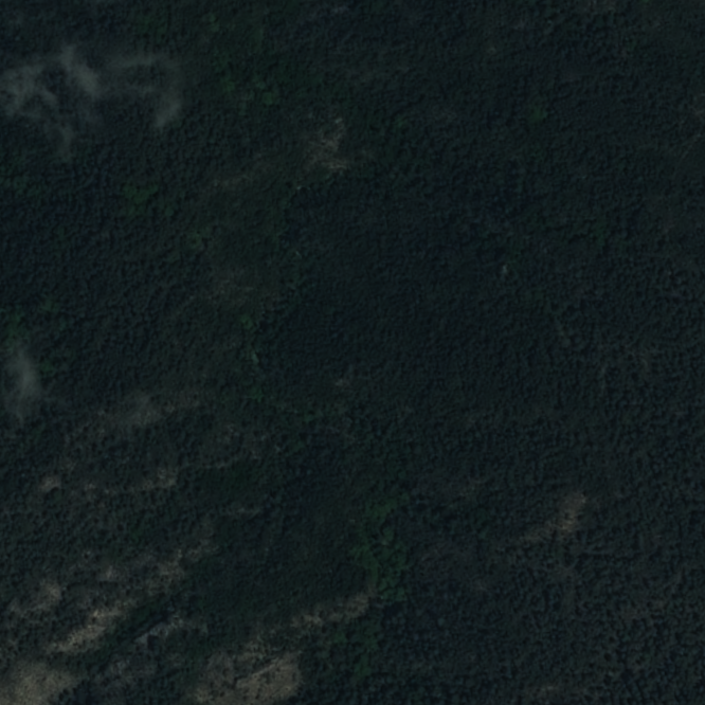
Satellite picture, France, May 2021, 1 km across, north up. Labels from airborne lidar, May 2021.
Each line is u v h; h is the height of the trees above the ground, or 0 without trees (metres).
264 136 8
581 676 19
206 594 6
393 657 11
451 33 10
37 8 10
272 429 22
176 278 21
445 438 26
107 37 26
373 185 18
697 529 20
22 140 11
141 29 15
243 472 24
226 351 11
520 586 17
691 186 11
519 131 22
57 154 16
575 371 17
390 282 10
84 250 16
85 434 6
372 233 14
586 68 22
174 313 22
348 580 15
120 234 24
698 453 17
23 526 23
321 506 8
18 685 0
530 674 15
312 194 13
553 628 20
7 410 11
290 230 14
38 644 16
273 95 23
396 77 14
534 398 19
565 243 7
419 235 9
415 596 10
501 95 13
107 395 19
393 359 7
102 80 26
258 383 28
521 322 14
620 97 18
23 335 20
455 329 16
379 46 17
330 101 8
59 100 9
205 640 11
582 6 6
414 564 14
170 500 6
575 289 17
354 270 7
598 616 29
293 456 19
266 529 16
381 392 8
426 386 10
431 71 13
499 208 19
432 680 14
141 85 25
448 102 9
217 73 12
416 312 19
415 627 11
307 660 15
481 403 18
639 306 22
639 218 26
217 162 20
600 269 13
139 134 24
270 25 15
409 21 9
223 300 11
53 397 19
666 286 27
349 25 6
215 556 17
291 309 9
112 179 18
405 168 12
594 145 22
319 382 9
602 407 7
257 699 10
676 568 20
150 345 21
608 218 8
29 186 11
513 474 13
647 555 20
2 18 6
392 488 36
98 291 16
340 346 13
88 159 11
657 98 16
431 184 11
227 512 9
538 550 20
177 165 33
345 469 12
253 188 12
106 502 16
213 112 13
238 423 7
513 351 21
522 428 23
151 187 16
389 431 26
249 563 10
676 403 19
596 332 16
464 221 16
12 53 13
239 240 13
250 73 10
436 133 12
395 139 27
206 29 12
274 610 15
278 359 11
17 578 16
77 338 12
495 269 7
